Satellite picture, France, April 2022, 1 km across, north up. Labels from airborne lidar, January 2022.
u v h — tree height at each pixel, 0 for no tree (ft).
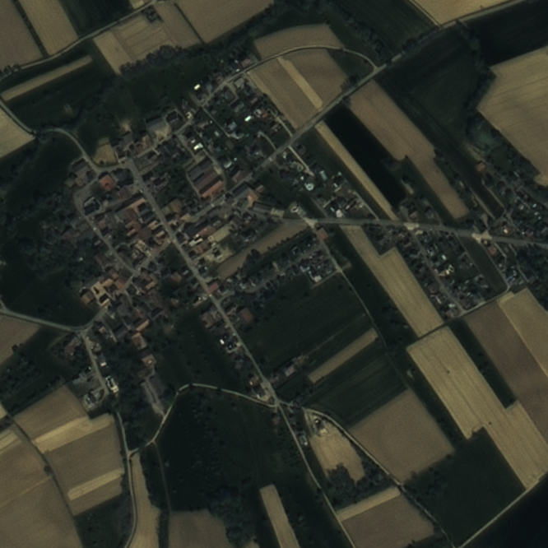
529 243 0
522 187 0
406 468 0
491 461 0
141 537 0
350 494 38
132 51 0
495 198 0
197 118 25
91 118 0
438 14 0
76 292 0
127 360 74
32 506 0
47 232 21
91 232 0
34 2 0
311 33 0
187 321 0
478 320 0
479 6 0
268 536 0
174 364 0
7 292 0
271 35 0
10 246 0
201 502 0
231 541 59
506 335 0
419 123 0
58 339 0
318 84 0
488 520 0
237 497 82
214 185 0
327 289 0
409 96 0
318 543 0
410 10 0
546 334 0
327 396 0
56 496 0
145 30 0
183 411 0
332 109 0
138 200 0
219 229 0
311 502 0
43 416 0
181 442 0
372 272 0
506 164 0
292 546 0
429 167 0
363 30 63
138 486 0
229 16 0
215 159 0
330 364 0
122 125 0
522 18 0
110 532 0
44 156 0
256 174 30
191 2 0
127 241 25
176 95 0
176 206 0
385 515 0
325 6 41
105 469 0
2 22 0
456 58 0
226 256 0
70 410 0
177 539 0
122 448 0
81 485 0
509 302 0
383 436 0
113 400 54
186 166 0
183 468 0
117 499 0
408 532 0
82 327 0
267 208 0
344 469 36
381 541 0
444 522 0
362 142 0
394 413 0
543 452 0
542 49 0
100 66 0
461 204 0
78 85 0
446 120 0
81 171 0
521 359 0
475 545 0
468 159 0
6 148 0
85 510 0
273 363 0
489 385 0
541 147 0
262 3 0
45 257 52
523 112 0
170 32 0
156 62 66
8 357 0
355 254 0
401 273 0
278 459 0
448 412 0
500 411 0
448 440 0
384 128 0
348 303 0
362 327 0
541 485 0
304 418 0
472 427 0
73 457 0
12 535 0
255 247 0
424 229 0
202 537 0
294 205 0
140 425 32
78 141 0
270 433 0
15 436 0
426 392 0
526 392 0
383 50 64
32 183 0
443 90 0
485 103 0
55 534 0
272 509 0
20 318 0
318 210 0
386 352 0
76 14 0
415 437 0
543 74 0
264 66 0
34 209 30
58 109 0
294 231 0
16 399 0
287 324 0
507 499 0
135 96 0
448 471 0
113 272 0
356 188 0
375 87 0
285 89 0
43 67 0
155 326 74
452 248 19
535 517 0
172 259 0
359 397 0
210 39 0
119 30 0
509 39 0
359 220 0
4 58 0
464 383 0
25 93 0
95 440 0
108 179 0
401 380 0
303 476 0
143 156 0
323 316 0
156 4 0
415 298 0
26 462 0
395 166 45
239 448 0
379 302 0
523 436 0
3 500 0
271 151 0
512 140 0
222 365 0
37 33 0
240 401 0
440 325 0
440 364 0
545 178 0
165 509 49
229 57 0
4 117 0
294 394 0
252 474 0
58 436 0
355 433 0
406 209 0
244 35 55
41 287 0
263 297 19
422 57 0
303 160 0
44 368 0
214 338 0
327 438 0
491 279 0
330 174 0
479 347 0
